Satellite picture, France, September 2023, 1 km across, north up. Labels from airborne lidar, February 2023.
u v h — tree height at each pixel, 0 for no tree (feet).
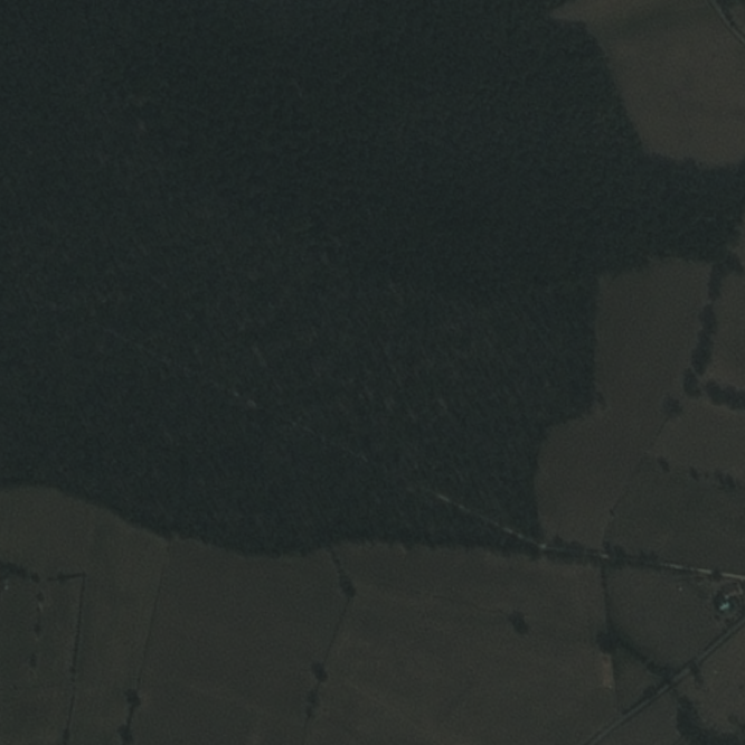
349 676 0
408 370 117
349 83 80
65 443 108
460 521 89
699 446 0
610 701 0
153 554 0
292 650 0
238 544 72
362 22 76
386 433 123
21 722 0
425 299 108
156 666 0
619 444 0
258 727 0
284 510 99
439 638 0
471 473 98
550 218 78
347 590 49
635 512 0
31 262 114
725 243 42
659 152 0
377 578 0
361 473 106
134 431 118
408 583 0
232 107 85
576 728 0
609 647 52
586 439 0
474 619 0
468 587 0
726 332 0
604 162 58
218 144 89
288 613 0
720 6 46
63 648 0
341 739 0
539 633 0
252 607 0
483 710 0
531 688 0
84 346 123
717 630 0
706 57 0
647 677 0
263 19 74
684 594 0
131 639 0
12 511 0
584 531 0
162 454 114
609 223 50
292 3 61
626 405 0
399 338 112
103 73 108
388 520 92
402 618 0
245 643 0
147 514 88
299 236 107
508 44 70
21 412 109
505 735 0
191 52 86
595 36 0
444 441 110
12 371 122
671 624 0
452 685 0
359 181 69
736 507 0
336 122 79
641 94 0
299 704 0
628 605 0
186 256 125
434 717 0
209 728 0
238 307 119
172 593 0
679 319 0
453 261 86
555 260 87
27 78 117
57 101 122
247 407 96
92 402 118
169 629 0
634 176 60
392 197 86
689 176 56
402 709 0
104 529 0
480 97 64
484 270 78
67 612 0
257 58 77
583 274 88
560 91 60
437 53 68
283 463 109
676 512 0
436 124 76
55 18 112
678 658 0
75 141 117
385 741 0
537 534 49
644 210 71
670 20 0
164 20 73
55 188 120
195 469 109
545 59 81
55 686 0
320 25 83
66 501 0
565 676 0
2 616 0
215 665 0
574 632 0
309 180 94
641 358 0
